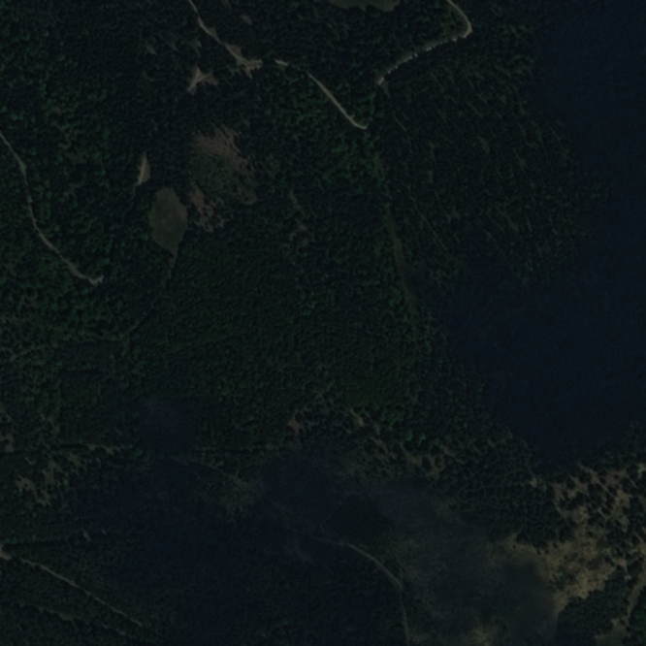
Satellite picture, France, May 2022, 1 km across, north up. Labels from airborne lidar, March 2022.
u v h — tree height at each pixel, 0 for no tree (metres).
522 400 12
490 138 15
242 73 0
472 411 9
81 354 13
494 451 15
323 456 18
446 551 0
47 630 31
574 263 15
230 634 21
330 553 6
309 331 8
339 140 21
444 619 0
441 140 13
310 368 10
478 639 0
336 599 25
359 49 26
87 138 26
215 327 12
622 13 26
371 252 14
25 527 17
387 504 0
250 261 16
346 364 12
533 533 15
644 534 10
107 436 17
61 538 9
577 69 17
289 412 11
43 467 14
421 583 0
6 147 23
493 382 13
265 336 14
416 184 12
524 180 16
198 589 27
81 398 19
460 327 16
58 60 21
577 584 0
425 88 9
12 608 29
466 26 0
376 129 22
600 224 12
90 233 22
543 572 0
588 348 8
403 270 0
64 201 17
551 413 12
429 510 0
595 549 0
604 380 16
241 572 27
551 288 14
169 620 27
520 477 15
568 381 10
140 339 13
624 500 0
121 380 12
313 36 28
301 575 23
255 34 19
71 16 19
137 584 26
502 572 0
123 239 18
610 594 8
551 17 19
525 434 12
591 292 16
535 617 0
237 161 0
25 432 13
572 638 8
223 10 22
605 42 24
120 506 20
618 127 0
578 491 0
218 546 27
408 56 0
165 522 25
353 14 20
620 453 13
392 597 26
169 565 22
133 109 17
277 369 12
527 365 13
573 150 14
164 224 0
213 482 10
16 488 11
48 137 30
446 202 12
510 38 14
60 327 11
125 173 22
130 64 16
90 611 14
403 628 20
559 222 17
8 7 28
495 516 17
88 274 24
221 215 6
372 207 16
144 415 21
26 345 12
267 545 28
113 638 29
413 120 16
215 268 15
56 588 27
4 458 12
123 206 22
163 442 18
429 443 12
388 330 13
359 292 13
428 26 34
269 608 27
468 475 19
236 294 15
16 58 28
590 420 14
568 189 14
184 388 12
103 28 14
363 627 25
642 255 16
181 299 13
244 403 12
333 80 27
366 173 15
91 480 14
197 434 18
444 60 15
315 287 14
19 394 10
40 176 24
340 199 15
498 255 13
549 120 16
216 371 12
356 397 12
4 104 26
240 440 16
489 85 18
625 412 16
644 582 0
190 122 23
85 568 22
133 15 25
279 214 8
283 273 17
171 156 27
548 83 0
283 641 26
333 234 11
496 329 14
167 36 22
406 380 12
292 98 18
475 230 13
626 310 12
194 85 0
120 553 30
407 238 13
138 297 11
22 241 19
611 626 10
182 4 27
